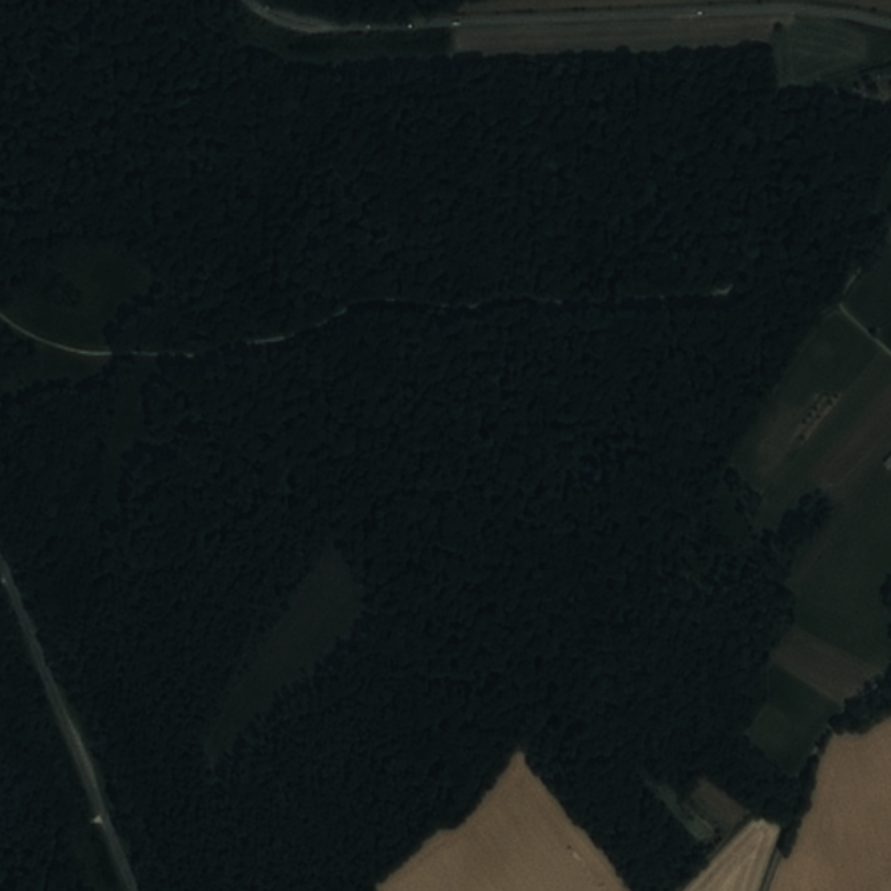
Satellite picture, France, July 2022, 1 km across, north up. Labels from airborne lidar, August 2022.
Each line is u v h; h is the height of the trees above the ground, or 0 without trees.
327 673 22
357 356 19
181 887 18
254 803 16
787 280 23
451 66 23
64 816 24
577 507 28
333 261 24
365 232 29
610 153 27
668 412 25
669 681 25
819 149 25
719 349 24
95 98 26
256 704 0
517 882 0
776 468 0
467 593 28
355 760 21
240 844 19
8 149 23
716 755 20
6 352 28
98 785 0
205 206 26
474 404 30
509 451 29
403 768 19
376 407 26
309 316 18
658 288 19
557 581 29
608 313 29
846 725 13
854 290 0
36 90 23
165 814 23
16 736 21
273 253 22
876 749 0
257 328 10
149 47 22
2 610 25
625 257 24
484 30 0
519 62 18
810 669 0
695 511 23
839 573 0
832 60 0
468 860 0
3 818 28
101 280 0
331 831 19
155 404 27
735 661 29
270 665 0
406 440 20
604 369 29
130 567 23
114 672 15
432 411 23
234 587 22
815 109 26
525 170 25
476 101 17
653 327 29
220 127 27
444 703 29
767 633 27
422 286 27
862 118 23
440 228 19
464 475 25
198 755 27
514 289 23
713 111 22
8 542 23
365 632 21
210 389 26
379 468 24
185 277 18
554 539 30
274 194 23
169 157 23
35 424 23
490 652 29
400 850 22
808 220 26
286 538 19
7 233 25
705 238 23
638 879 16
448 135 31
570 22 0
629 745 23
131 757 21
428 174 26
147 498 26
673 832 27
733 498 0
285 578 12
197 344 18
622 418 28
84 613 18
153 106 25
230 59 23
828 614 0
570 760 25
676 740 28
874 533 0
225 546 21
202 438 23
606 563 28
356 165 24
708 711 28
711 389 30
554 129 29
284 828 20
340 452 22
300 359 17
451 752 28
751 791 25
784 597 24
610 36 0
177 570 23
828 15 0
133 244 26
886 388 0
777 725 0
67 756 7
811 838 0
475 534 25
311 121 23
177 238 23
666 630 27
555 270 27
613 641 25
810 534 20
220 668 22
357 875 21
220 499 24
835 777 0
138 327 19
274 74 23
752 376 23
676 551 23
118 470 0
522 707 26
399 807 23
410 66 23
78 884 29
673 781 17
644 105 27
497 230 21
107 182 25
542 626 28
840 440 0
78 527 25
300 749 17
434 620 26
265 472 26
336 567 0
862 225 29
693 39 0
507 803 0
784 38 0
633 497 26
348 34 8
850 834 0
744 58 21
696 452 30
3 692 24
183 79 24
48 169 23
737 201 23
